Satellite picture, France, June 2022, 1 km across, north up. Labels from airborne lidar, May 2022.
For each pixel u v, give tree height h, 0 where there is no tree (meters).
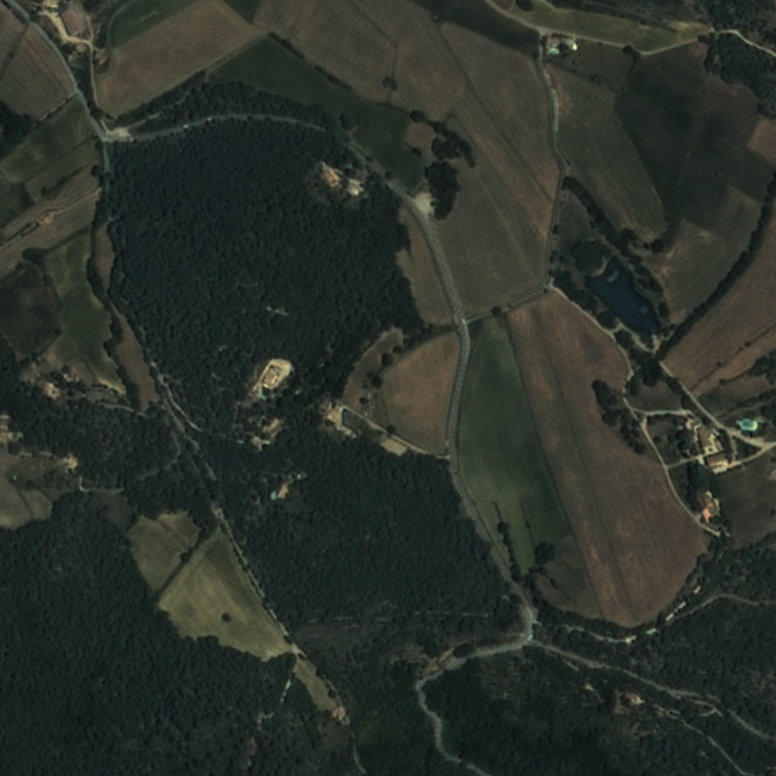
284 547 11
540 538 0
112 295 10
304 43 0
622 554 0
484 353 0
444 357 0
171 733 16
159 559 0
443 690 15
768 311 0
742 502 0
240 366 16
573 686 10
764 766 9
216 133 10
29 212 0
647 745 16
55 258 0
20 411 15
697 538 0
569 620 11
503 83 0
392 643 7
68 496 10
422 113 11
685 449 16
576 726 7
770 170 0
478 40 0
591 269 7
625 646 11
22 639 12
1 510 0
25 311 0
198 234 12
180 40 0
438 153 9
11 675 12
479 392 0
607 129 0
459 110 0
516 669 8
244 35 0
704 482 19
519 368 0
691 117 0
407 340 9
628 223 0
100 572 10
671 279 0
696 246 0
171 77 0
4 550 10
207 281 6
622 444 0
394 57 0
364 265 12
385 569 10
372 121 0
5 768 16
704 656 8
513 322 0
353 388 0
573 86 0
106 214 12
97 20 0
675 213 0
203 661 14
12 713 12
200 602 0
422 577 12
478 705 17
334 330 17
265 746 13
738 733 8
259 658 10
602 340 0
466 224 0
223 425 9
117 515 0
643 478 0
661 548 0
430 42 0
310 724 7
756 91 8
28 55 0
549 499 0
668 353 10
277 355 14
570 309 0
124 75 0
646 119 0
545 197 0
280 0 0
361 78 0
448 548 10
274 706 8
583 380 0
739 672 8
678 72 0
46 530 10
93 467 10
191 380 13
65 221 0
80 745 12
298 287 8
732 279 11
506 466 0
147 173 12
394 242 15
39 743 16
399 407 0
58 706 18
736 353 0
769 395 8
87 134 0
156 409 13
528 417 0
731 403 0
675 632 7
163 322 13
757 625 6
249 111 9
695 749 8
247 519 9
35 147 0
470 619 10
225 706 12
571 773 19
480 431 0
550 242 0
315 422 9
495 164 0
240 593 0
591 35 0
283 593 10
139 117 7
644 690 11
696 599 9
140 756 13
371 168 9
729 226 0
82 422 9
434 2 0
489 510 0
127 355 0
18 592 10
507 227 0
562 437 0
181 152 6
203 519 11
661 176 0
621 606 0
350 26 0
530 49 0
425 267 0
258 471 7
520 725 10
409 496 13
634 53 9
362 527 8
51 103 0
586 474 0
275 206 14
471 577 8
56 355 0
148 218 13
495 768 14
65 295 0
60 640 13
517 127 0
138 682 11
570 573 0
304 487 11
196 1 0
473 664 12
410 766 8
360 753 7
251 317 15
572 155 0
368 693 6
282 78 0
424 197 0
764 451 0
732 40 13
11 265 0
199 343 13
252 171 14
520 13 0
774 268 0
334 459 13
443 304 0
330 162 9
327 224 14
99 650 13
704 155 0
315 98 0
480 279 0
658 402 0
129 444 12
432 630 6
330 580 14
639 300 0
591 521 0
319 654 8
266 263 14
